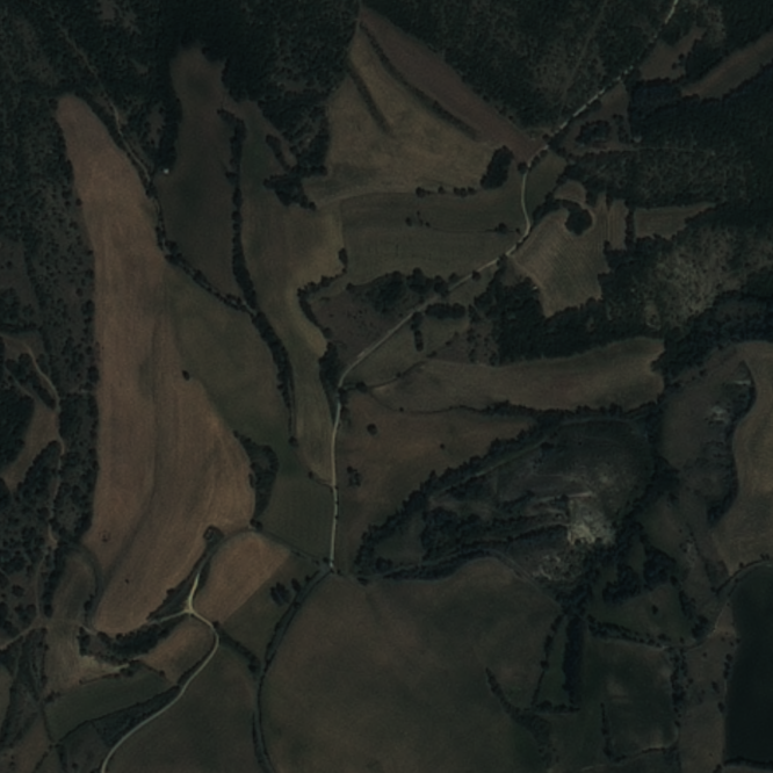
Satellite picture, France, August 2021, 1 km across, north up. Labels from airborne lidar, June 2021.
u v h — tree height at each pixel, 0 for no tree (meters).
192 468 0
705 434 0
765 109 8
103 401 0
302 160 8
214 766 0
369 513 0
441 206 0
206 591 0
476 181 0
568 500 10
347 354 0
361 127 0
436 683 0
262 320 11
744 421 0
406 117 0
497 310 10
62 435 8
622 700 0
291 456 0
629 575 18
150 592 0
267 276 0
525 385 0
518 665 0
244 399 0
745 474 0
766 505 0
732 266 8
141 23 7
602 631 8
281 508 0
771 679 0
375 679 0
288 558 0
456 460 0
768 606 0
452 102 0
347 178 0
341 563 0
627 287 9
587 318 9
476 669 0
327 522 0
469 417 0
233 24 7
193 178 0
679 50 0
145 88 7
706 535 0
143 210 0
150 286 0
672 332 8
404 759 0
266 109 7
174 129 16
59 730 0
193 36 12
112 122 7
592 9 7
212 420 0
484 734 0
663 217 0
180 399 0
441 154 0
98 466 9
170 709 0
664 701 0
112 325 0
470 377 0
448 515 7
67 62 9
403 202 0
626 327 11
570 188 0
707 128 8
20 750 0
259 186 0
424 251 0
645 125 8
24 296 0
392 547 0
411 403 0
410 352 0
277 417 0
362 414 0
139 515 0
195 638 0
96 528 0
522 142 0
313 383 0
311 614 0
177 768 0
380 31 0
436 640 0
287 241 0
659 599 0
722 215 9
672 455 0
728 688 0
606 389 0
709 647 0
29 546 8
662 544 0
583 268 0
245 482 0
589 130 7
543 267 0
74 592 0
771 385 0
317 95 6
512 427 0
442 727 0
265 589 0
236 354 0
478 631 0
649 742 0
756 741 0
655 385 0
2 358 6
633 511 7
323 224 0
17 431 8
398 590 0
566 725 0
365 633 0
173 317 0
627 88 8
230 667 0
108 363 0
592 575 19
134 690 0
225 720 0
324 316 0
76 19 7
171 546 0
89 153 0
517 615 0
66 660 0
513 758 0
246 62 11
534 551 0
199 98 0
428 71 0
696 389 0
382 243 0
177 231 0
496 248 0
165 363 0
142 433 0
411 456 0
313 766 0
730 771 0
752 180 7
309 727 0
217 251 0
